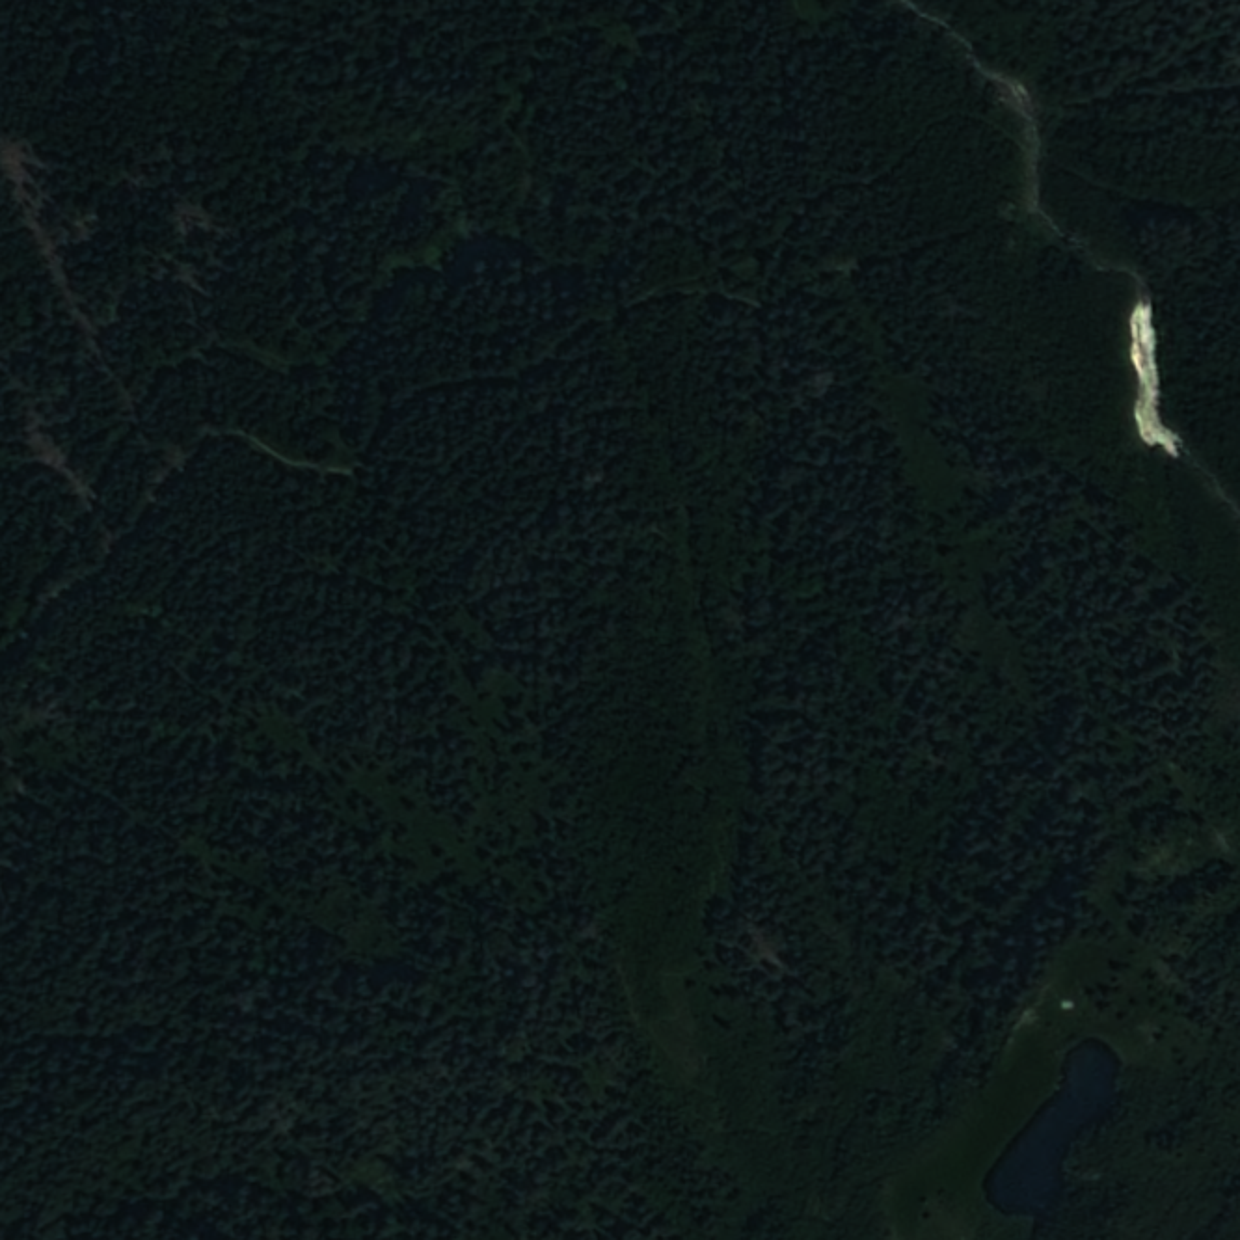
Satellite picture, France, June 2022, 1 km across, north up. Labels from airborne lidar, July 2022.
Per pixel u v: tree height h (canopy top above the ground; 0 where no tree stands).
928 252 13
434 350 22
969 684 11
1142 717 29
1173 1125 7
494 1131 25
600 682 11
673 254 13
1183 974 19
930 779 11
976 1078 9
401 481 23
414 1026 11
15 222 24
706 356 12
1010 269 7
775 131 35
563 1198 9
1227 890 16
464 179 16
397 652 23
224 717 26
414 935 17
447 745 10
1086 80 12
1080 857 23
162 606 15
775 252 16
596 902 10
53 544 25
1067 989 0
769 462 9
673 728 18
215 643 19
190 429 25
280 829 20
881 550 15
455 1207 29
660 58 34
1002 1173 0
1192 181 7
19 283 21
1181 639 21
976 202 8
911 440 0
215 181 19
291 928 12
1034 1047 0
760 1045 11
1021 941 23
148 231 15
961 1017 9
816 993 25
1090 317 6
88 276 25
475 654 25
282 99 20
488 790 6
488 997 10
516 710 20
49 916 31
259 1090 35
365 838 11
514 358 28
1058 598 10
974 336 8
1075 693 9
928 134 8
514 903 10
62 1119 32
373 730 31
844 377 24
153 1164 22
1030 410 11
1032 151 0
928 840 12
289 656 20
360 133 18
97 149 30
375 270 32
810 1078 9
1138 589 32
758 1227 15
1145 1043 0
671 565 18
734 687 10
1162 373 11
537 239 10
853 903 11
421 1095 29
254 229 20
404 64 8
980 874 11
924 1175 0
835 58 11
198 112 28
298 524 26
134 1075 27
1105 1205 8
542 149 18
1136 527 10
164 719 25
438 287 32
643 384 18
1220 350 12
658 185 11
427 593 11
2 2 29
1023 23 12
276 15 28
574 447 36
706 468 13
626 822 10
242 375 18
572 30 8
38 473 21
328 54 20
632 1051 12
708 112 6
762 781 12
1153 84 30
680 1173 15
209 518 24
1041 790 7
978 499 19
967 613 16
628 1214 9
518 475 13
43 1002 30
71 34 19
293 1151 11
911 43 11
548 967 13
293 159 21
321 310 31
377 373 23
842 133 22
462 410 22
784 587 9
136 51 21
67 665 14
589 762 18
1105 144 22
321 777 9
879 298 18
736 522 8
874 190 13
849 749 7
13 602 23
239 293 31
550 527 22
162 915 20
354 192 24
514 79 29
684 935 6
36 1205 27
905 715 8
